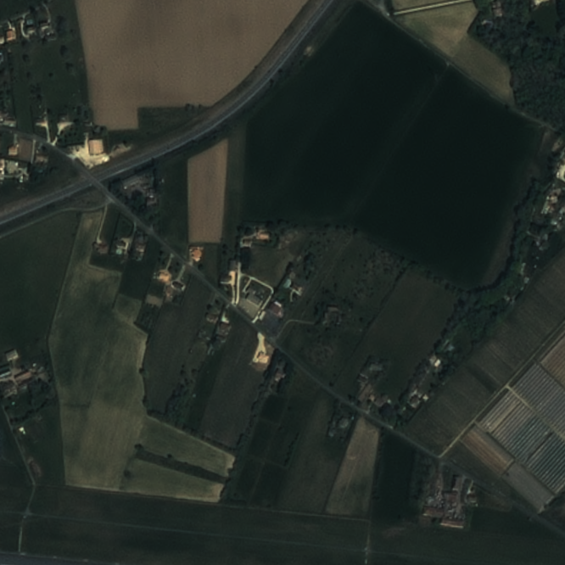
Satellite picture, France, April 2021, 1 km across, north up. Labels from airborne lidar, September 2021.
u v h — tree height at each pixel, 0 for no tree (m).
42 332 0
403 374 0
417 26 0
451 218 0
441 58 0
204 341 0
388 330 0
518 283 17
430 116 0
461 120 0
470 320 14
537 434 0
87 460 0
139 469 0
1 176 0
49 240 0
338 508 0
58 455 0
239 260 7
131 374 0
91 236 0
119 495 0
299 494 0
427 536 0
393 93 0
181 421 14
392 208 0
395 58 0
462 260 0
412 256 0
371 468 0
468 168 0
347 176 0
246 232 9
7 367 7
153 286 0
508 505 0
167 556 0
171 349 0
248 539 0
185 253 0
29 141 0
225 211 0
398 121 0
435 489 9
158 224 10
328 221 0
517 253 19
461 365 6
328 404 0
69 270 0
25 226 0
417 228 0
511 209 0
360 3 0
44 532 0
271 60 0
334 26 0
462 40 0
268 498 0
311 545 0
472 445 0
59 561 0
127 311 0
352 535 0
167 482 0
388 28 0
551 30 0
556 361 0
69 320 0
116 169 0
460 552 0
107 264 0
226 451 7
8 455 0
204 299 0
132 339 0
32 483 0
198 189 0
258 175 0
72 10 0
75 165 0
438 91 0
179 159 0
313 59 0
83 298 0
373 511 0
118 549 0
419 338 0
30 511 0
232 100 0
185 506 0
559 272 0
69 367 0
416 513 0
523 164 0
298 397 0
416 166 0
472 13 0
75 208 0
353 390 0
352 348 0
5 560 0
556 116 20
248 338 0
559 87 20
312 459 0
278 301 7
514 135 0
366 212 0
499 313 14
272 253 0
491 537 0
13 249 0
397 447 0
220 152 0
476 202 0
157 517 0
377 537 0
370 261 6
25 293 0
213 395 0
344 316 6
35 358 0
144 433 0
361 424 0
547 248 11
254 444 0
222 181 0
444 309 0
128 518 0
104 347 0
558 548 0
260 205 0
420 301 0
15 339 0
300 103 0
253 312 0
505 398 0
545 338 0
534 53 19
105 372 0
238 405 0
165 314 0
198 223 0
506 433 0
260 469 0
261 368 0
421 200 0
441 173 0
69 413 0
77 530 0
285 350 0
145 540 0
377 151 0
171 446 0
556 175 7
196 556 0
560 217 8
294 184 0
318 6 0
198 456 0
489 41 14
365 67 0
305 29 0
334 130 0
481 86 0
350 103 0
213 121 0
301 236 0
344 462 0
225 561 0
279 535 0
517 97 12
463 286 0
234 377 0
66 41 18
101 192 0
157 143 0
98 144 0
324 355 6
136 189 0
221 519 0
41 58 0
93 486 0
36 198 0
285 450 0
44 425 0
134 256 11
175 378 0
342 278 0
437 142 0
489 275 0
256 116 0
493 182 0
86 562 0
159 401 0
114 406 0
